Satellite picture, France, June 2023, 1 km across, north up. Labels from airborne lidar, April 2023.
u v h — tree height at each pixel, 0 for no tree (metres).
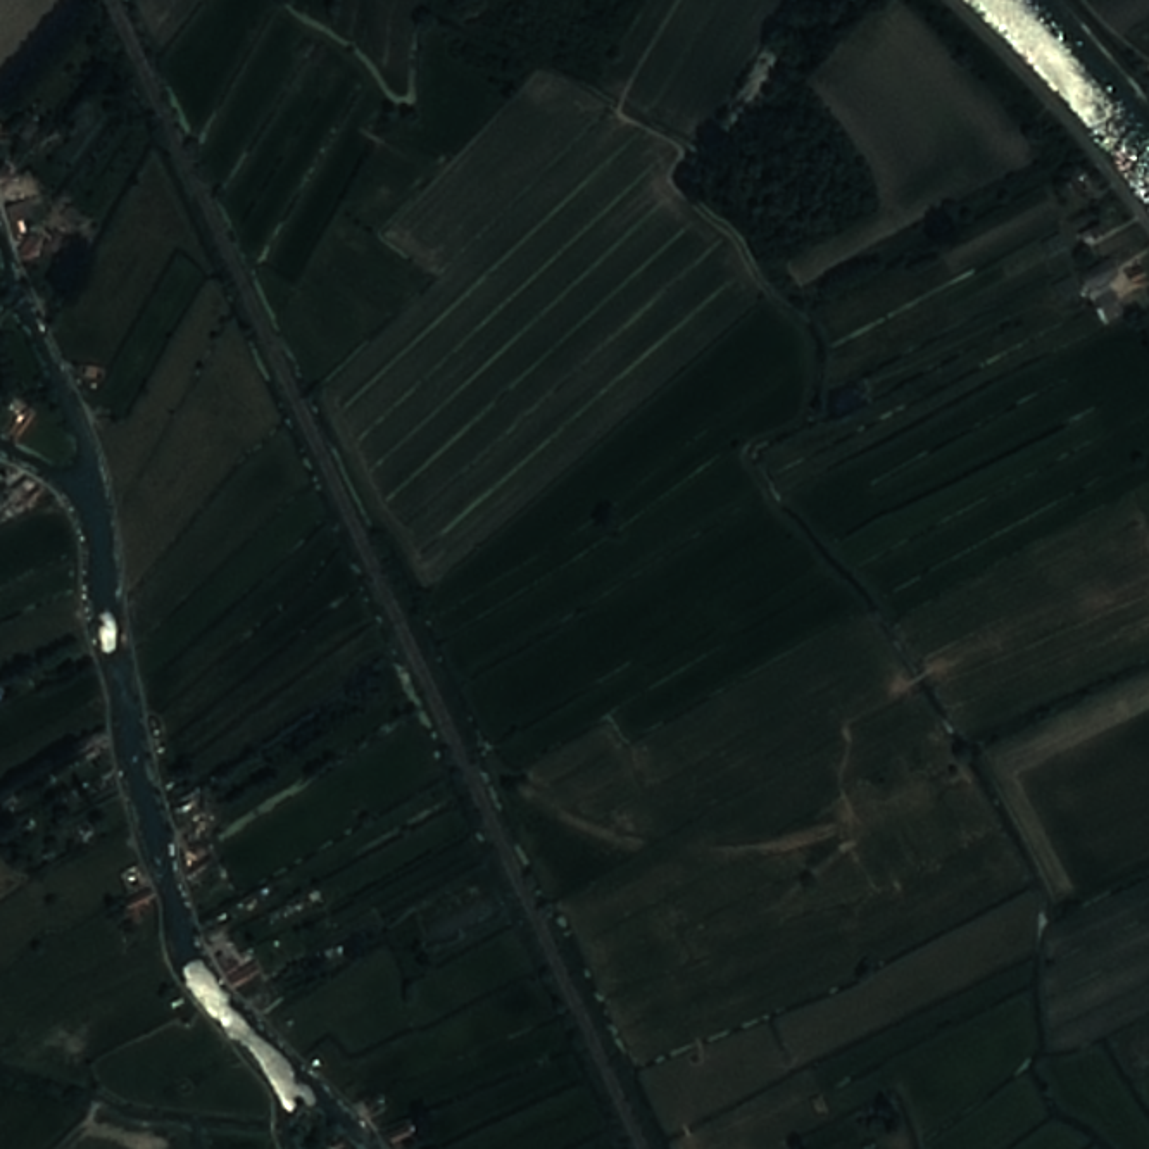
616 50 12
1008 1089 0
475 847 0
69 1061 0
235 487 0
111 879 0
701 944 0
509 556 0
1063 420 0
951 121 0
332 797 0
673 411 0
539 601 0
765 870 0
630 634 0
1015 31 0
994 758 0
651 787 0
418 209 0
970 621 0
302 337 0
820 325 0
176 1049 0
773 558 0
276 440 0
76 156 0
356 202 0
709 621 0
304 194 0
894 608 0
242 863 0
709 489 0
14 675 17
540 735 0
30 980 0
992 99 0
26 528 0
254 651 0
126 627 0
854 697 0
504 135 0
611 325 0
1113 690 0
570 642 0
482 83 0
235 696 0
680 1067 0
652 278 0
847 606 0
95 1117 0
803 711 0
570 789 0
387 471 0
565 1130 0
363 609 0
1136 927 0
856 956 0
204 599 0
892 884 0
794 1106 0
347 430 0
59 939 0
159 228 0
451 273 0
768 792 0
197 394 0
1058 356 0
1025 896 0
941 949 0
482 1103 0
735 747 0
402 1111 0
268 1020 0
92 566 0
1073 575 0
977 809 0
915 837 0
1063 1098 0
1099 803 0
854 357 0
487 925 0
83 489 0
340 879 0
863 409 0
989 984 0
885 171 0
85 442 0
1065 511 0
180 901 0
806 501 0
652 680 0
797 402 0
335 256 0
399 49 0
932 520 0
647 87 0
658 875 0
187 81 0
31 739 0
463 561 0
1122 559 0
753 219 9
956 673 0
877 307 0
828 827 0
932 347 0
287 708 0
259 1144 0
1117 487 0
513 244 0
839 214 14
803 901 0
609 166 0
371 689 17
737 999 0
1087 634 0
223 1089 0
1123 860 0
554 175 0
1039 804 0
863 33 0
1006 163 0
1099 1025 0
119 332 0
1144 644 0
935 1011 0
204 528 0
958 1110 0
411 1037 0
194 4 0
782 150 16
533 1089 0
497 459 0
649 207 0
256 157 0
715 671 0
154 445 0
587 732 0
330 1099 0
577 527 0
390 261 0
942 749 0
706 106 0
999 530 0
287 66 0
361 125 0
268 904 0
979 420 0
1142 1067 0
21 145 7
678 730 0
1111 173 0
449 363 0
